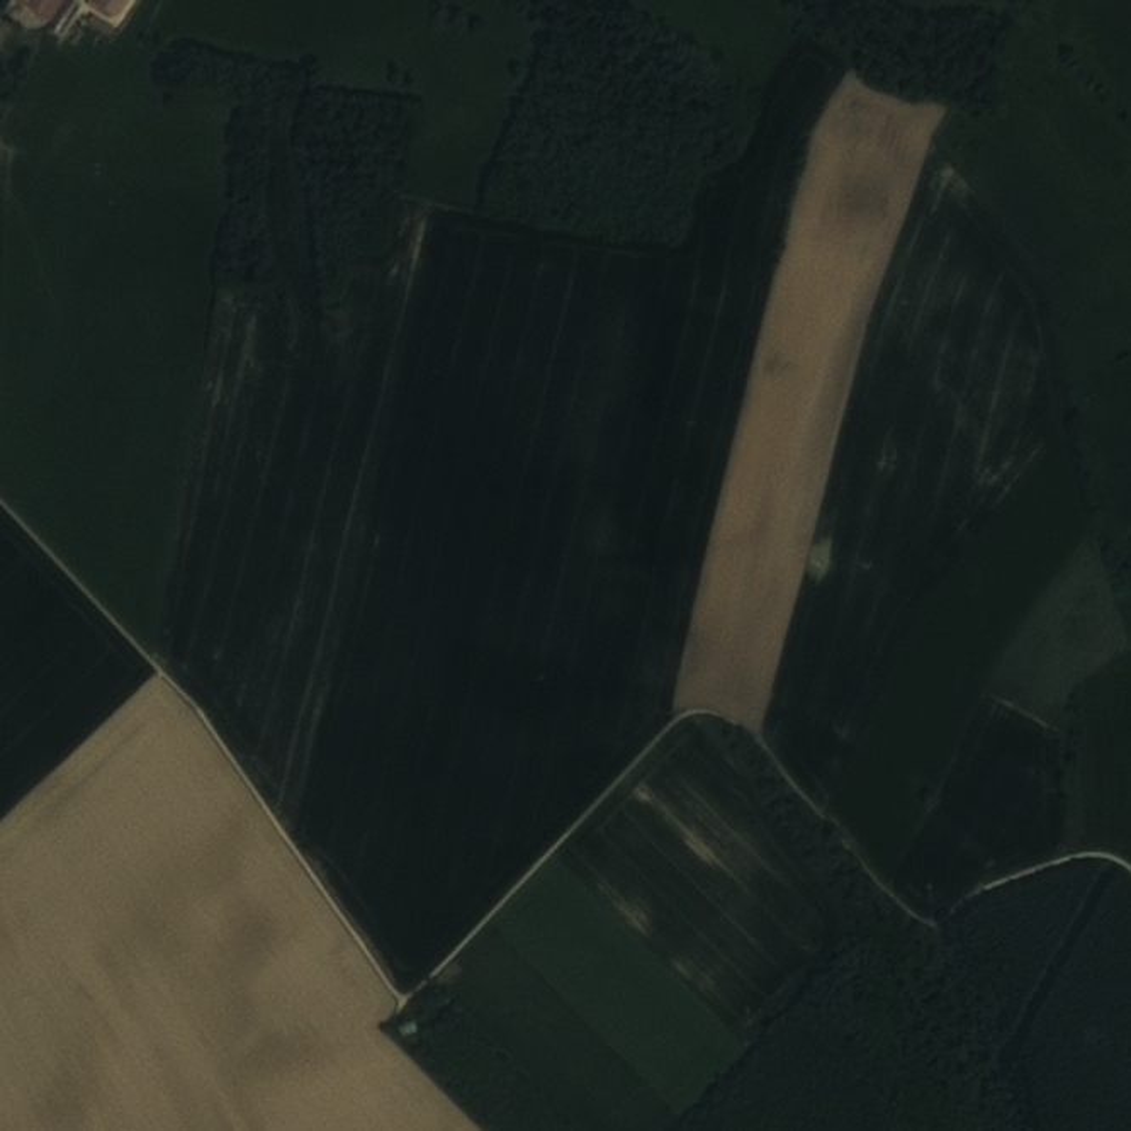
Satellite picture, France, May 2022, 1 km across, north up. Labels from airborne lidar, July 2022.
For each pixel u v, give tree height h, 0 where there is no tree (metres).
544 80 20
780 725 0
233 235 16
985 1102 11
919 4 0
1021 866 0
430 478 0
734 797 0
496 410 0
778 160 0
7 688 0
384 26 0
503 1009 0
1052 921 19
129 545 0
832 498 0
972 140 0
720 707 0
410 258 0
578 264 0
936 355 0
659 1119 0
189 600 0
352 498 0
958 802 0
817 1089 17
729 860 0
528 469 0
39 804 0
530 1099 15
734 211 0
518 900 0
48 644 0
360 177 21
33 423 0
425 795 0
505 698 0
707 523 0
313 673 0
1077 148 0
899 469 0
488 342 0
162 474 0
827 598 0
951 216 0
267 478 0
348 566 0
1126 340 0
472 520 0
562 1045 0
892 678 0
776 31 0
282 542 0
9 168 0
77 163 0
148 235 0
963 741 0
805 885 0
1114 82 0
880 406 0
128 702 0
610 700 0
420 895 0
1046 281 0
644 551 0
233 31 0
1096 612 0
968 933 18
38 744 0
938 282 0
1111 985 19
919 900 0
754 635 0
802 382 0
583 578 0
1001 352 0
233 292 9
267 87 24
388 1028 9
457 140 0
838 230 0
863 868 10
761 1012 0
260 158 18
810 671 0
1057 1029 20
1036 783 0
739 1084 13
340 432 0
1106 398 0
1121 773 0
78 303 0
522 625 0
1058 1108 19
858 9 27
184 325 0
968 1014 19
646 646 0
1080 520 0
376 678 0
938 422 0
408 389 0
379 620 0
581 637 0
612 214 22
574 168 21
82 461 0
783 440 0
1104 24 0
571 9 20
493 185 21
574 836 0
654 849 0
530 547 0
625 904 0
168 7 0
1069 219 0
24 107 0
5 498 0
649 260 0
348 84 0
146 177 0
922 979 17
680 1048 0
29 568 0
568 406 0
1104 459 0
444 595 0
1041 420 0
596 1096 0
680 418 0
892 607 0
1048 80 0
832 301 0
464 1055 16
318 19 0
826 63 0
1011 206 0
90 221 0
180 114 0
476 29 13
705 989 0
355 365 0
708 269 0
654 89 21
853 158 0
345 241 19
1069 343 0
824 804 0
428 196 0
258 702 0
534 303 0
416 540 0
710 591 0
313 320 0
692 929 0
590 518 0
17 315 0
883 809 0
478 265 0
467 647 0
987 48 22
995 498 0
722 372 0
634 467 0
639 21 22
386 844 0
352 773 0
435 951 0
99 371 0
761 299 0
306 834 0
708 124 20
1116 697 0
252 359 0
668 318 0
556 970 0
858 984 7
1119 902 17
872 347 0
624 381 0
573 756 0
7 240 0
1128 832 0
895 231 0
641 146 17
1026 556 0
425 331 0
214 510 0
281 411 0
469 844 0
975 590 0
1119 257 0
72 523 0
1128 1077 17
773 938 0
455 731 0
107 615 0
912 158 0
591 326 0
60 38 0
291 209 0
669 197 20
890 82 20
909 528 0
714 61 26
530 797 0
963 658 0
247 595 0
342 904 0
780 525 0
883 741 0
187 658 0
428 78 0
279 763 0
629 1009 0
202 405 0
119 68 0
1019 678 0
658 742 0
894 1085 14
